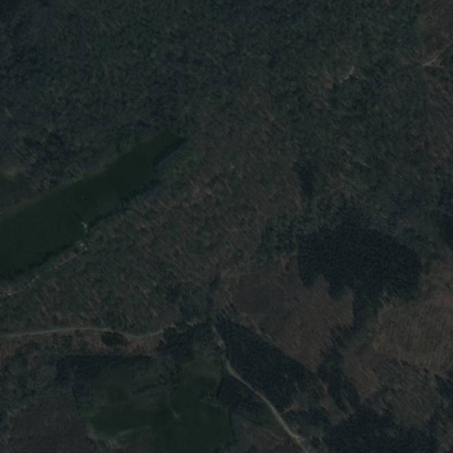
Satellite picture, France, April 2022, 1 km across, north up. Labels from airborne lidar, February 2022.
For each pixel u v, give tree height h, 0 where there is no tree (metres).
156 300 24
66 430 11
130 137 30
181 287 24
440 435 28
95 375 23
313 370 20
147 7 29
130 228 30
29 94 39
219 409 0
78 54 31
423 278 31
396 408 23
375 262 26
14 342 6
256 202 27
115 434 0
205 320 23
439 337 0
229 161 31
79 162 37
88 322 22
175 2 29
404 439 27
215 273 25
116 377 0
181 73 29
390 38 27
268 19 28
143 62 32
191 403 0
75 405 12
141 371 17
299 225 21
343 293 28
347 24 29
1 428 20
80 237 0
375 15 33
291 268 14
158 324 26
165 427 0
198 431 0
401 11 32
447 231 25
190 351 28
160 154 0
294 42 29
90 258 26
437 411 27
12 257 0
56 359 21
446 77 29
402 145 31
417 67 23
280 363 24
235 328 28
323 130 30
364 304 27
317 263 30
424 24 0
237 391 14
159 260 29
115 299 29
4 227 0
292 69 30
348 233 31
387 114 30
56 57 33
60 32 34
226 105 30
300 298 19
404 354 0
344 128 24
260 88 30
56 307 26
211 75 32
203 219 27
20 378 31
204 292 26
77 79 36
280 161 28
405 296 29
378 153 29
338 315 18
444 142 30
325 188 21
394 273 30
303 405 28
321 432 23
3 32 31
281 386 29
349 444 19
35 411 10
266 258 23
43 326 25
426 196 29
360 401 25
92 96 33
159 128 25
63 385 20
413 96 27
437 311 0
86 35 30
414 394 29
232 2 25
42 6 35
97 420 0
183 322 26
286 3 29
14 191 0
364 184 24
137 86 27
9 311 27
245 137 27
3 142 38
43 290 27
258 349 26
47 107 37
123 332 24
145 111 30
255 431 35
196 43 28
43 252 0
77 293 25
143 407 0
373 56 27
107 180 0
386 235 25
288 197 29
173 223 31
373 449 28
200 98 31
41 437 8
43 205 0
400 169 27
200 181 30
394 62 26
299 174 29
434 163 28
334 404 19
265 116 28
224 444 0
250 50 31
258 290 14
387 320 0
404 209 25
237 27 30
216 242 27
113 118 34
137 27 28
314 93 22
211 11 27
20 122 40
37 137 34
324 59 29
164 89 31
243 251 24
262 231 26
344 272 25
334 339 17
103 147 34
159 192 30
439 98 28
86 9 28
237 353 22
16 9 32
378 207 26
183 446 0
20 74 31
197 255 27
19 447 12
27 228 0
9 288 26
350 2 29
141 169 0
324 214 33
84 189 0
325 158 28
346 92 29
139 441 0
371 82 28
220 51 34
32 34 38
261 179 28
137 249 28
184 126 31
